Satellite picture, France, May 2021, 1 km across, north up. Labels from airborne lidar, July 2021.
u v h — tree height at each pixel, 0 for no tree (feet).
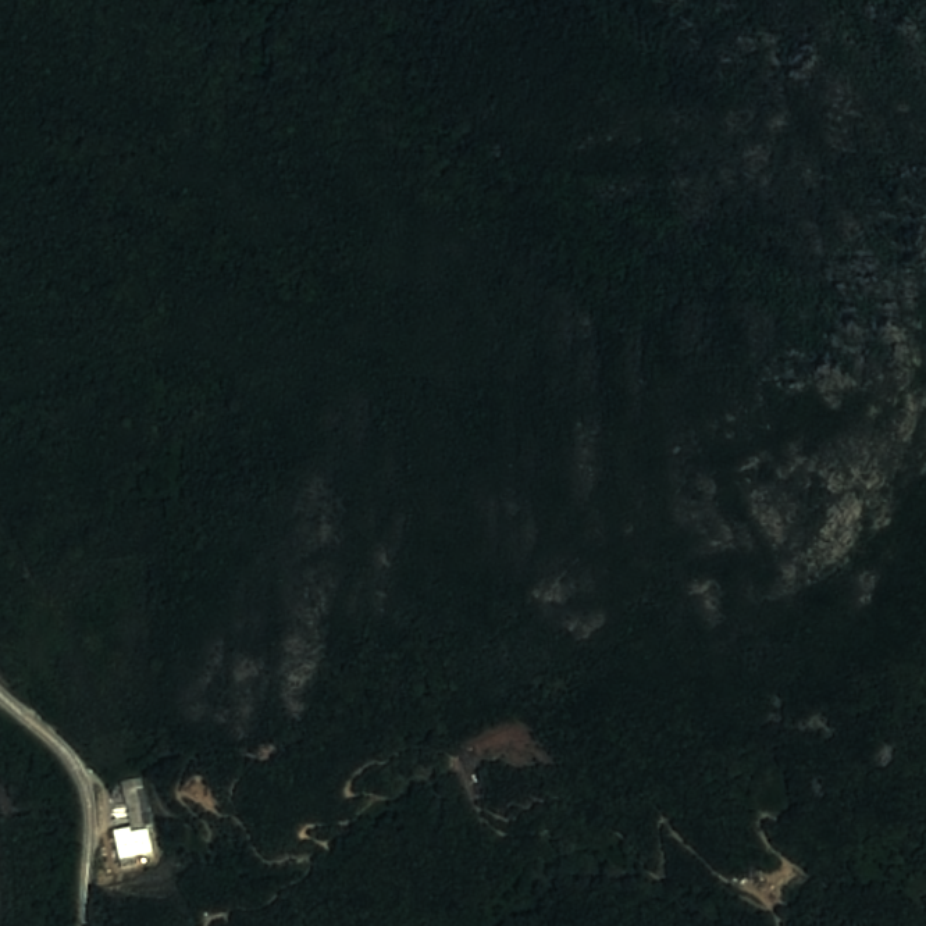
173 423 21
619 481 23
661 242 22
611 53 40
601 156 26
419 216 28
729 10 19
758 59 21
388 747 27
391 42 69
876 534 23
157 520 26
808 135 24
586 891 38
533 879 51
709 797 42
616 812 45
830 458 0
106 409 40
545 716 45
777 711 37
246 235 22
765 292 27
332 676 34
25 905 55
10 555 35
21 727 30
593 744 28
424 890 32
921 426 20
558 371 19
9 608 23
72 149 47
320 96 67
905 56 22
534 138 31
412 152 63
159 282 35
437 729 44
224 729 22
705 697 20
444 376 23
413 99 76
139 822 0
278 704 20
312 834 40
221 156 38
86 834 0
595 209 35
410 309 23
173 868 0
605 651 23
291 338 29
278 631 28
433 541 18
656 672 20
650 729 29
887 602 29
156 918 18
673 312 22
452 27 41
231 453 32
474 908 58
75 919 31
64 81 22
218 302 26
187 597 36
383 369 28
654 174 25
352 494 17
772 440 19
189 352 24
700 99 21
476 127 45
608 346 36
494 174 40
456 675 20
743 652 32
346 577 21
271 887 44
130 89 51
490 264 18
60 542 31
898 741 26
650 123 21
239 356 20
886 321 21
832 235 18
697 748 34
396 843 41
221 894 23
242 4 72
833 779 36
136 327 22
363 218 29
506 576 20
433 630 22
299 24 83
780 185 17
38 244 30
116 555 21
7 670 29
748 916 53
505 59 18
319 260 46
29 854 43
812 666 20
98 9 43
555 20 45
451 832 49
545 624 20
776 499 0
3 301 37
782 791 0
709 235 26
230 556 25
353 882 33
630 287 32
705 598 0
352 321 21
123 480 45
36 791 62
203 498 27
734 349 19
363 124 43
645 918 35
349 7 64
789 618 20
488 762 31
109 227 45
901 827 44
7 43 34
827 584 23
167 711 21
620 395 30
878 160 25
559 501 19
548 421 22
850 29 26
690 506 0
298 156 42
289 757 42
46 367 21
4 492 20
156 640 28
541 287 23
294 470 34
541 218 37
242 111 42
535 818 47
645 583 37
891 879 24
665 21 21
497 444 20
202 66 53
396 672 28
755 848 31
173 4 52
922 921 39
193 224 46
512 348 18
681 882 33
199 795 0
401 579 17
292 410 26
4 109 32
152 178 33
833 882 27
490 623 25
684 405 20
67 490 21
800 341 21
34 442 41
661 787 43
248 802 30
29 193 33
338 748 18
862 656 26
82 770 0
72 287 22
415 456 17
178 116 21
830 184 20
